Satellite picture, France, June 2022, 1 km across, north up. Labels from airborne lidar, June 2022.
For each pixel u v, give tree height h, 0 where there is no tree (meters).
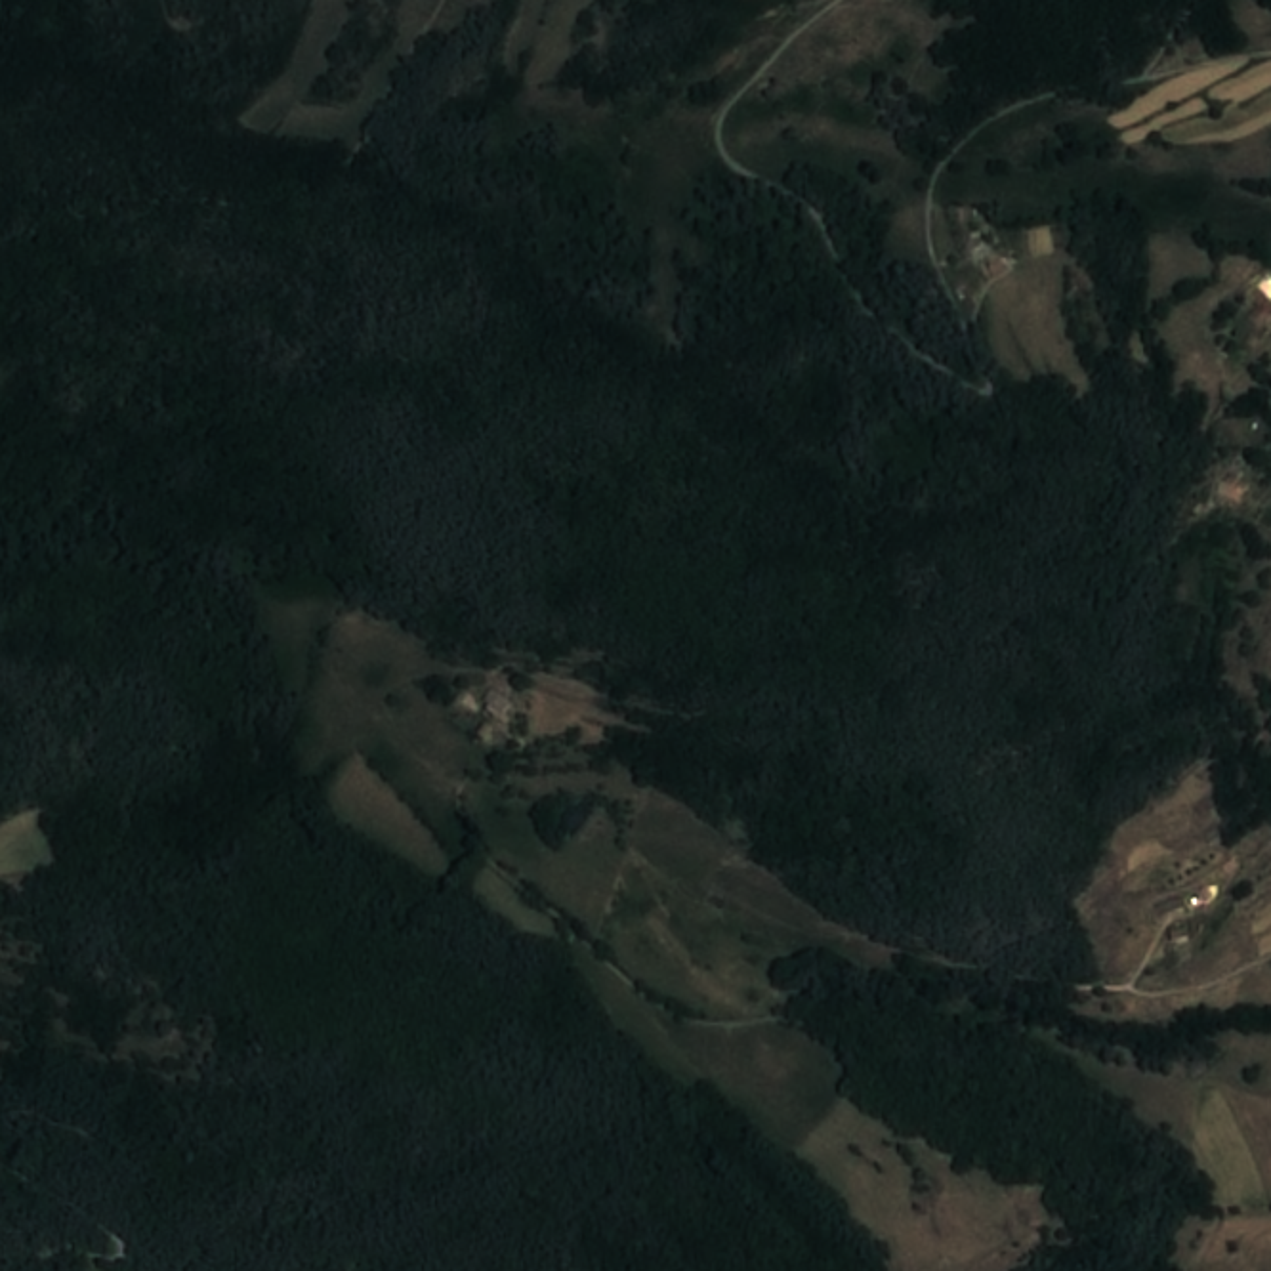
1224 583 6
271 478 23
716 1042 0
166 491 18
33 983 8
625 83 8
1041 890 10
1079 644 16
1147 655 12
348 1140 17
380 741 0
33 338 16
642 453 10
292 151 13
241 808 12
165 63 6
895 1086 19
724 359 16
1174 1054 26
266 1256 14
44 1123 23
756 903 0
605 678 9
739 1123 23
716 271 16
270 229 14
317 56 0
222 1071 13
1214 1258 0
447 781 0
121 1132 18
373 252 10
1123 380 17
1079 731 16
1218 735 11
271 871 21
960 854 13
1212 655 8
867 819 8
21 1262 11
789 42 0
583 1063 20
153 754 18
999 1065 21
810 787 8
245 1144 14
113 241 12
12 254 13
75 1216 20
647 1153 19
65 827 11
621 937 0
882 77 12
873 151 0
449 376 15
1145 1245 24
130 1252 12
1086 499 11
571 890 0
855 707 10
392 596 17
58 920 10
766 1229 21
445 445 18
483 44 15
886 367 17
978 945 6
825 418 7
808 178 20
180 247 9
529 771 8
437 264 14
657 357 11
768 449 12
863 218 16
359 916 16
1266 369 9
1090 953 12
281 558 15
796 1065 0
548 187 11
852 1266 10
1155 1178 16
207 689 20
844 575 13
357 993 17
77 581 22
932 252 0
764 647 10
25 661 16
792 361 15
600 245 14
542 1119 19
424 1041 17
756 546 10
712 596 10
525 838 0
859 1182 0
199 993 11
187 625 20
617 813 8
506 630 13
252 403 20
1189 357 0
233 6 9
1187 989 0
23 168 8
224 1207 8
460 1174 13
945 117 14
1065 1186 17
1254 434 0
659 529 8
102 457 23
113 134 9
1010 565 16
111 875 14
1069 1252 8
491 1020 18
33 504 18
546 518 19
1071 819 10
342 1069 19
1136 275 11
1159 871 0
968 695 15
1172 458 13
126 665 14
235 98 9
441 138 19
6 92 13
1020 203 0
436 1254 19
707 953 0
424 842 0
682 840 0
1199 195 0
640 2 8
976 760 13
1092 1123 18
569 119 0
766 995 0
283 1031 12
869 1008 24
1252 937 0
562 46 0
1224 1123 0
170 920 16
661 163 0
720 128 0
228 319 16
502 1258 16
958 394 19
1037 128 0
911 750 16
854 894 15
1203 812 0
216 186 11
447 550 16
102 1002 6
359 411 13
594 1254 14
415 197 15
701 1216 20
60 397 9
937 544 10
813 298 19
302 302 13
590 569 11
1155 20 9
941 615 9
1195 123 0
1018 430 13
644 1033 0
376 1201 21
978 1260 0
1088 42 18
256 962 17
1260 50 0
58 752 12
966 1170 13
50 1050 13
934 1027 23
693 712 9
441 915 25
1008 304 0
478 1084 11
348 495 19
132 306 7
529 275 13
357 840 25
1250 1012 18
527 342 12
